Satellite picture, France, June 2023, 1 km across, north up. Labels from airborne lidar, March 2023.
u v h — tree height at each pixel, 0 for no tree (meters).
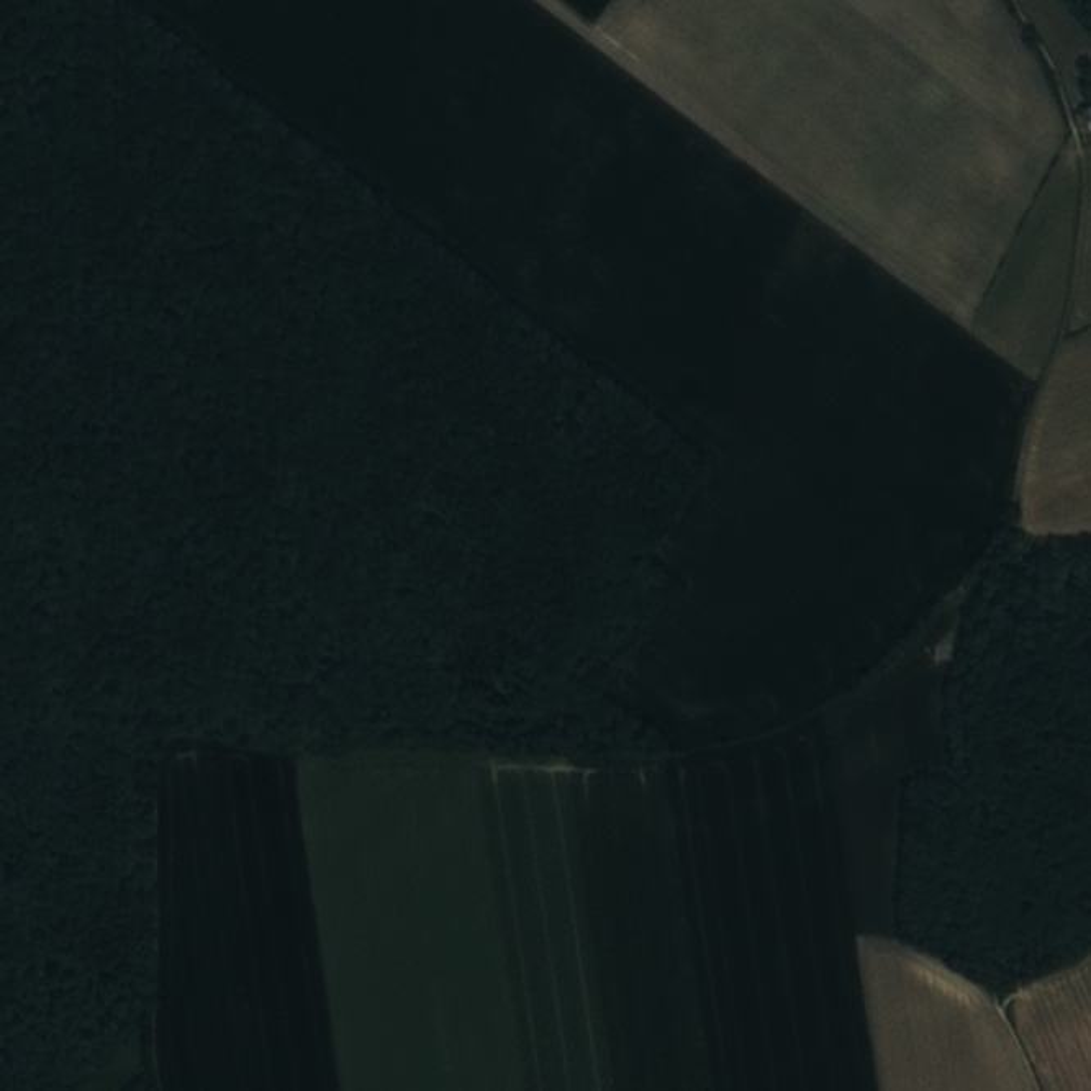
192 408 23
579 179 0
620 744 15
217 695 19
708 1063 0
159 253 26
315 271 25
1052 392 0
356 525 22
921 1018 0
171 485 23
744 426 0
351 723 20
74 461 26
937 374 0
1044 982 0
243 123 21
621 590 25
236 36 0
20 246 23
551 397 26
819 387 0
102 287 23
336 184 25
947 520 0
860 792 0
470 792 0
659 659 0
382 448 26
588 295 0
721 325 0
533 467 27
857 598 0
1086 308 0
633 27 0
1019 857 21
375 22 0
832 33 0
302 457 23
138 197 26
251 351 25
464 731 15
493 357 27
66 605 26
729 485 0
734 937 0
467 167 0
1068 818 20
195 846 0
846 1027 0
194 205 25
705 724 0
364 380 25
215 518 24
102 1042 14
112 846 20
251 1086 0
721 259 0
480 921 0
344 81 0
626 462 28
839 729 0
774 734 0
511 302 17
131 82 28
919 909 17
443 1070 0
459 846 0
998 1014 0
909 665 0
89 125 29
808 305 0
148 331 26
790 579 0
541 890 0
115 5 23
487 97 0
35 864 23
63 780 19
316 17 0
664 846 0
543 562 28
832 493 0
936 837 21
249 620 24
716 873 0
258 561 19
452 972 0
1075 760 22
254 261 26
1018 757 21
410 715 20
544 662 25
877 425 0
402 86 0
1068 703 26
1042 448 0
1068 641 23
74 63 26
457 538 19
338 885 0
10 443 28
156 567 24
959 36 0
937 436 0
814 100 0
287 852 0
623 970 0
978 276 0
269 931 0
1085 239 0
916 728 0
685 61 0
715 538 0
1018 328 0
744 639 0
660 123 0
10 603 23
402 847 0
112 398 28
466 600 17
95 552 23
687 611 0
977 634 21
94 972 10
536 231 0
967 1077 0
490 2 0
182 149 27
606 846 0
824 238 0
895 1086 0
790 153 0
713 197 0
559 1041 0
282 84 0
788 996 0
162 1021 0
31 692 20
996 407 0
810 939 0
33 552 22
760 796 0
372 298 28
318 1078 0
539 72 0
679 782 0
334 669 23
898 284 0
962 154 0
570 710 6
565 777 0
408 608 22
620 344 0
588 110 0
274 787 0
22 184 26
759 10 0
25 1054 25
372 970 0
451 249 17
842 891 0
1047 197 0
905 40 0
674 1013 0
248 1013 0
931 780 20
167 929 0
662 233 0
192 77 27
